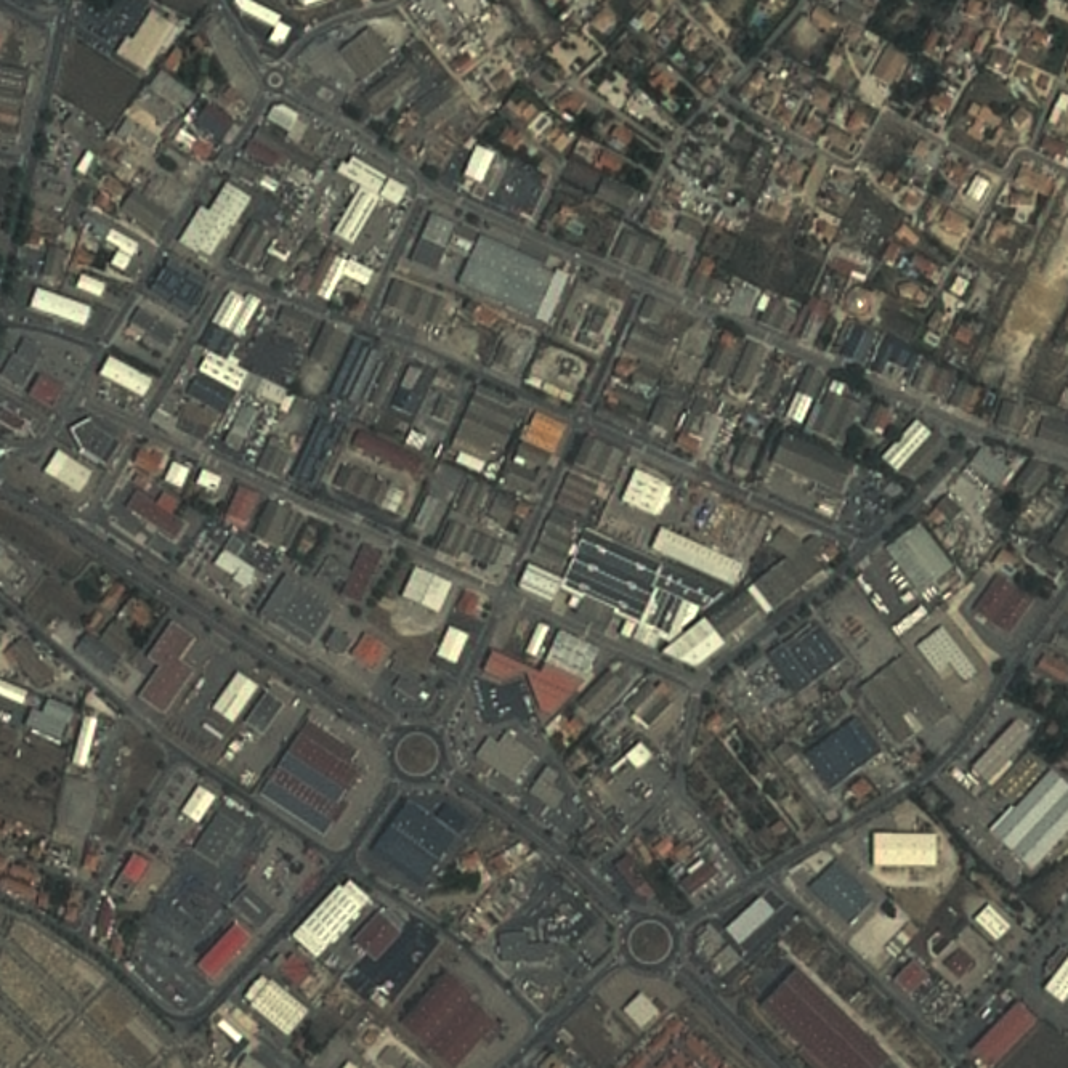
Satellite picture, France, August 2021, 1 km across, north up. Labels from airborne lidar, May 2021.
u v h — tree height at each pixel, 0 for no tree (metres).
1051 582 8
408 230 0
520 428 7
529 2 0
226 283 0
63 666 0
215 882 0
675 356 0
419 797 0
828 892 0
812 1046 0
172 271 0
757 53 11
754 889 0
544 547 0
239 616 0
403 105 0
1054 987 0
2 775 0
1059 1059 0
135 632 9
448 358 0
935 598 0
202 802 0
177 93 0
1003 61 0
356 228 0
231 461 0
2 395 0
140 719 0
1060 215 0
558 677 0
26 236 10
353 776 0
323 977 0
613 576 0
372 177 0
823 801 0
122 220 0
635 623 0
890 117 0
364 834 0
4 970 0
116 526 0
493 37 0
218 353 0
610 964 0
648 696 0
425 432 0
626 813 0
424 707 0
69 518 0
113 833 0
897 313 0
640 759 0
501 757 0
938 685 0
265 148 0
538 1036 0
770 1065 0
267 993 0
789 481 0
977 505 0
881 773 0
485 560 0
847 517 0
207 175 0
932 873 0
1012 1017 0
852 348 0
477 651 0
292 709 0
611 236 0
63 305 0
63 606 0
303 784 0
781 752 0
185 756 0
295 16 0
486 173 0
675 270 0
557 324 0
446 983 0
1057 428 0
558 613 0
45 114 11
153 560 0
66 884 6
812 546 0
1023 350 0
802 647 0
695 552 0
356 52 0
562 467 0
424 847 0
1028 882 9
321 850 0
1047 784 0
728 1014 0
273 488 0
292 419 0
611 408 6
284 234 0
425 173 9
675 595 0
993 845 0
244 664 0
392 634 0
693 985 0
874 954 0
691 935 0
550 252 0
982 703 0
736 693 0
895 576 0
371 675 0
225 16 0
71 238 0
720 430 0
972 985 0
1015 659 0
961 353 0
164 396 0
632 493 0
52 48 0
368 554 0
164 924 0
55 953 0
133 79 0
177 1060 0
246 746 0
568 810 0
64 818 0
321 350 0
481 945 0
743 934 0
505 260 0
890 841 0
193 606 0
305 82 0
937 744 0
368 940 0
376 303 0
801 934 0
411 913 0
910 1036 0
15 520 0
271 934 0
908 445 0
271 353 0
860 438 13
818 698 0
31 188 0
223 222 0
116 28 0
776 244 0
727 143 7
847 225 0
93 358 0
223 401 0
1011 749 0
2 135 0
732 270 6
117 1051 0
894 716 0
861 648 0
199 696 0
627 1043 0
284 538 0
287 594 0
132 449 0
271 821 0
